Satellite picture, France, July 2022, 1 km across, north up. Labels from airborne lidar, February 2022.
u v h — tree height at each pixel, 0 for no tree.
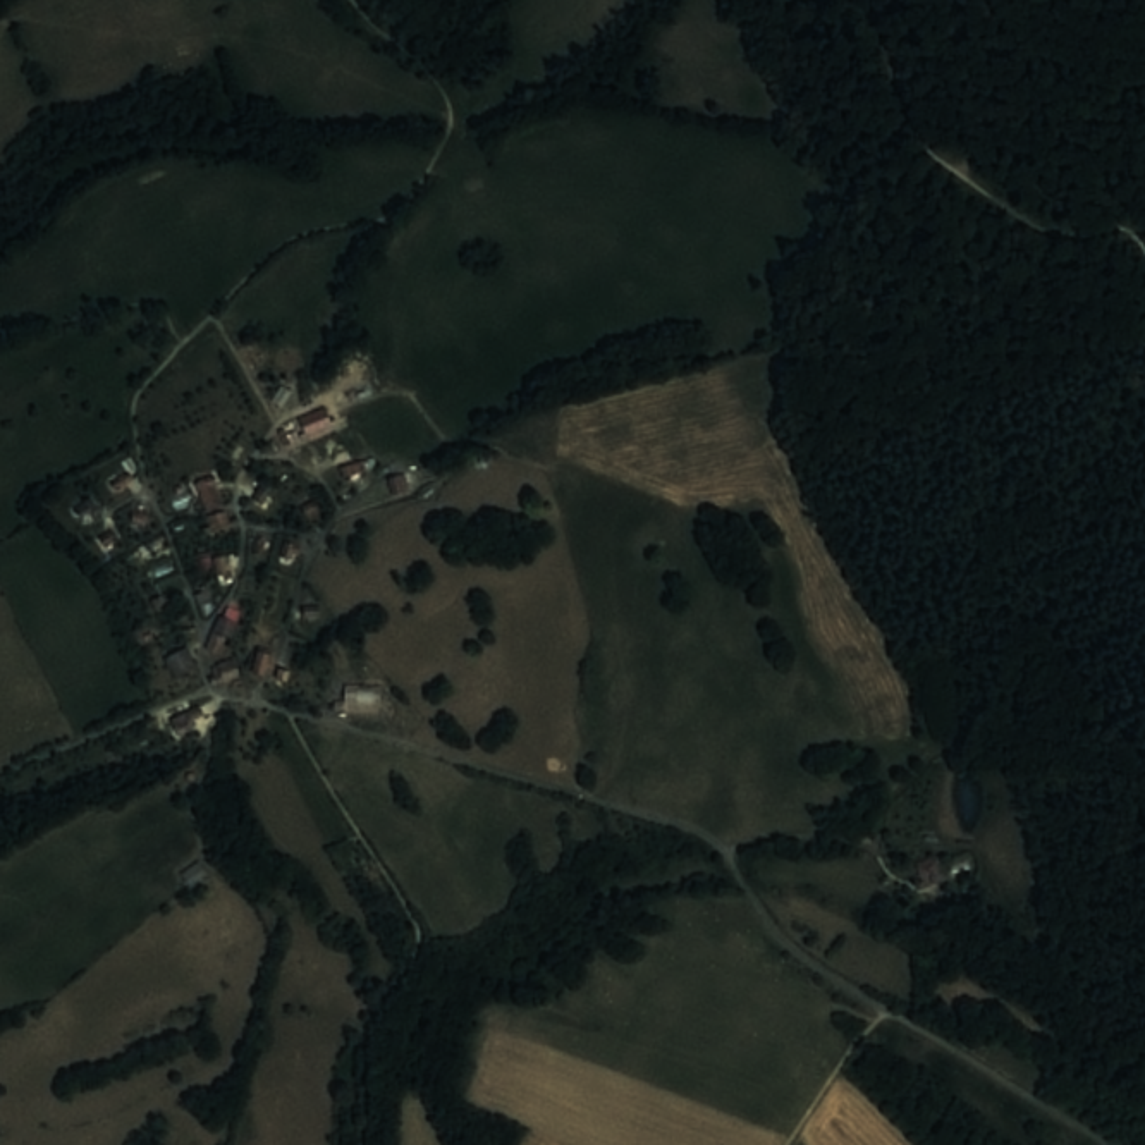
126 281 0
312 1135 0
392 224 22
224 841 16
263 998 15
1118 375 29
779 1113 0
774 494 0
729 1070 0
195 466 0
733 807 0
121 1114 0
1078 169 29
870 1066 11
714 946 0
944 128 24
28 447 0
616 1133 0
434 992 16
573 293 0
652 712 0
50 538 17
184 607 5
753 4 19
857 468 27
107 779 13
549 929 13
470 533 18
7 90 0
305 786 0
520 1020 0
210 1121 18
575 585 0
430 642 0
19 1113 0
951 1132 12
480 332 0
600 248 0
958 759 22
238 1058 15
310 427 0
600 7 0
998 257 26
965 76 23
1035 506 17
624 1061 0
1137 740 28
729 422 0
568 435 0
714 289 0
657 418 0
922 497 21
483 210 0
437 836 0
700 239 0
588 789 14
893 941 19
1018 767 21
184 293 0
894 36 28
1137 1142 13
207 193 0
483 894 0
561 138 0
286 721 0
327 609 0
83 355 0
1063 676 21
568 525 0
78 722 0
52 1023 0
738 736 0
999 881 0
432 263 0
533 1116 0
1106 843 24
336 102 0
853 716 0
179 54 0
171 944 0
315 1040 0
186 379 0
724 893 14
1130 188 25
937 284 26
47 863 0
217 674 0
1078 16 30
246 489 0
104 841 0
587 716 0
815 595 0
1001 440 17
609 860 15
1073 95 30
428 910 0
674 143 0
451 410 0
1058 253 29
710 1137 0
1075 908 25
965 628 12
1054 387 34
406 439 0
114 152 25
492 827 0
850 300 28
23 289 0
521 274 0
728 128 16
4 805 12
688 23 0
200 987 0
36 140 13
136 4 0
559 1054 0
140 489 0
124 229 0
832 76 23
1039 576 22
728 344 0
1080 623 24
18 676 0
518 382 0
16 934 0
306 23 0
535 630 0
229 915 0
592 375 11
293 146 23
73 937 0
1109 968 19
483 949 8
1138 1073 18
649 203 0
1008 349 20
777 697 0
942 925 26
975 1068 0
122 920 0
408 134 24
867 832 9
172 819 0
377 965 0
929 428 29
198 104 8
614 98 16
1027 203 26
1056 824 28
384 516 0
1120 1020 19
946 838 0
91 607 0
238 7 0
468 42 14
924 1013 18
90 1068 14
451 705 0
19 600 0
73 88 0
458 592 0
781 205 0
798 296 19
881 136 30
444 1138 16
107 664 0
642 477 0
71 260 0
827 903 0
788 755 0
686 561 0
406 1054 7
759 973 0
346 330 20
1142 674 31
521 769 0
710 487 0
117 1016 0
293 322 0
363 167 0
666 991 0
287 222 0
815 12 19
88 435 0
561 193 0
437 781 0
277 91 0
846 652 0
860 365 28
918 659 17
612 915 16
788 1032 0
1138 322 23
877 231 27
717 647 0
